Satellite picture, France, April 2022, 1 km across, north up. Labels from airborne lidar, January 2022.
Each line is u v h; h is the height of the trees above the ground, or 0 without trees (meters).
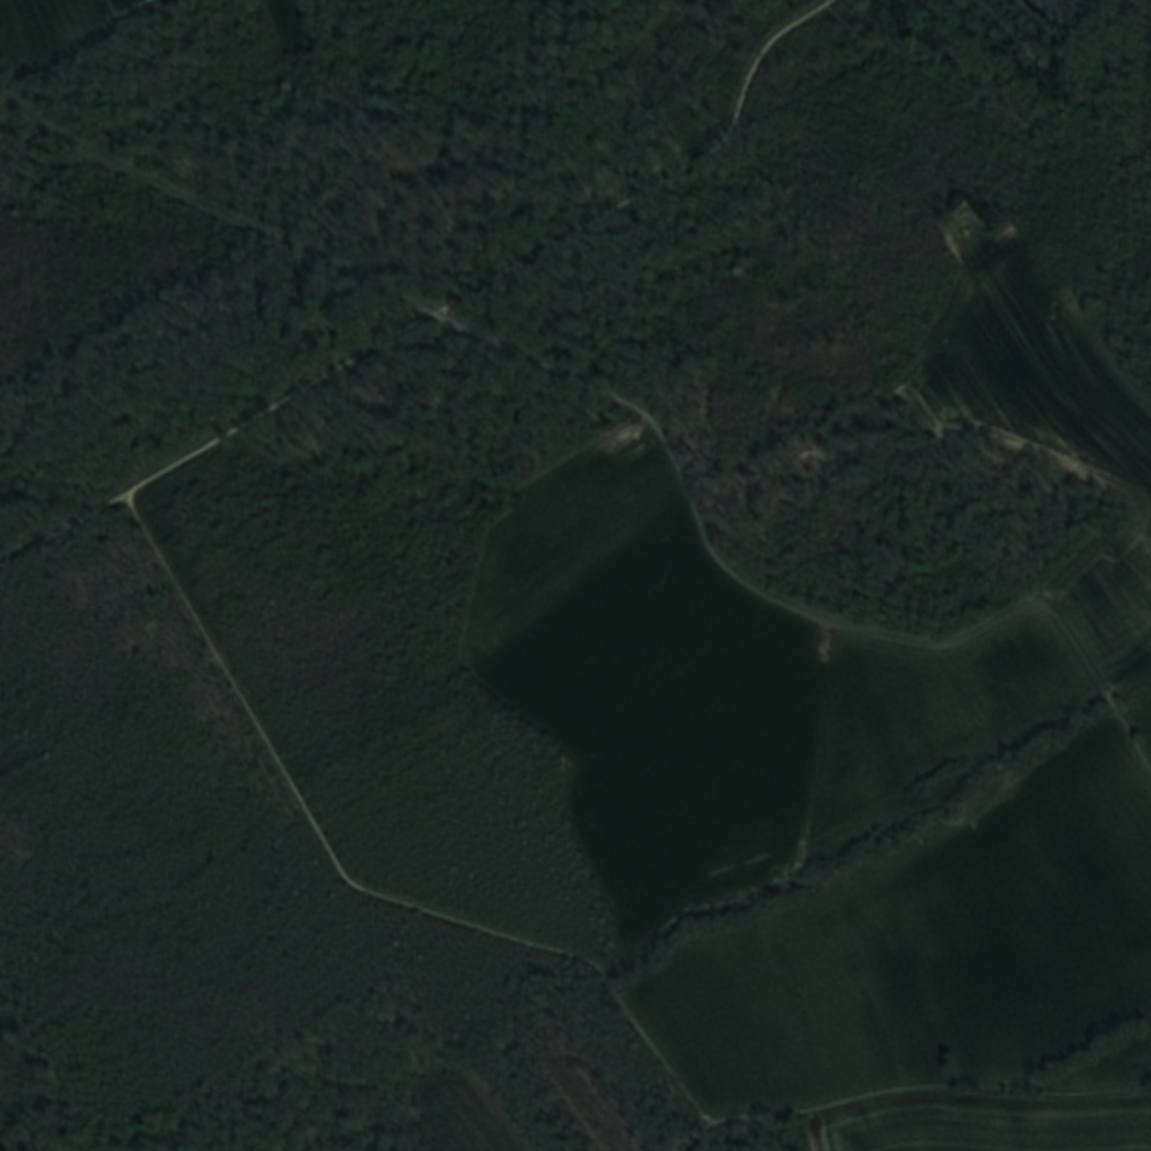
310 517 8
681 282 21
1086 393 0
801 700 0
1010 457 9
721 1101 0
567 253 34
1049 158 12
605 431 10
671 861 0
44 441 30
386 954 14
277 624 10
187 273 7
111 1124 14
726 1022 0
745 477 17
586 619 0
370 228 31
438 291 27
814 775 0
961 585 9
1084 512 24
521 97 25
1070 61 24
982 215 12
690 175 30
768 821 0
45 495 30
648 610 0
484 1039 17
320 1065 25
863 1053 0
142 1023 11
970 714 0
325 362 33
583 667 0
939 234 13
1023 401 0
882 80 12
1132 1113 0
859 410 19
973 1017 0
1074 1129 0
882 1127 0
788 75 24
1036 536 25
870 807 0
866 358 6
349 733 8
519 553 0
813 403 8
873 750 0
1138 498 0
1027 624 0
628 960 0
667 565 0
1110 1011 0
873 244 13
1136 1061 0
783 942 0
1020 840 0
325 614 7
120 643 22
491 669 0
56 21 0
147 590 25
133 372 29
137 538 22
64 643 15
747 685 0
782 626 0
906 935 0
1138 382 20
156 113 25
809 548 14
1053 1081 14
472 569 8
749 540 25
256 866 18
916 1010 0
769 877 0
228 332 32
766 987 0
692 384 32
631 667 0
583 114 26
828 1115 0
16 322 7
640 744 0
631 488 0
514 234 30
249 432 27
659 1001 0
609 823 0
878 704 0
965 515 23
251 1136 24
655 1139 14
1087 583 0
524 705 0
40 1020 14
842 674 0
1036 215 11
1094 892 0
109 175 8
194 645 21
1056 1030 0
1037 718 0
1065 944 0
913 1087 0
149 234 8
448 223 33
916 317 11
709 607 0
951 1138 0
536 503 0
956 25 24
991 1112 0
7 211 6
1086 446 0
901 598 22
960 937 0
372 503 29
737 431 11
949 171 11
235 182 30
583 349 27
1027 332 0
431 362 31
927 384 0
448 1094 0
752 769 0
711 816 0
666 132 24
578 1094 0
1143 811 0
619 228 33
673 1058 0
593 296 29
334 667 9
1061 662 0
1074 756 0
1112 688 0
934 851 0
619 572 0
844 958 0
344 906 16
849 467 12
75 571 26
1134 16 29
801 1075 0
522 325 34
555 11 19
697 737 0
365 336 32
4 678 11
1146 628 0
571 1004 23
